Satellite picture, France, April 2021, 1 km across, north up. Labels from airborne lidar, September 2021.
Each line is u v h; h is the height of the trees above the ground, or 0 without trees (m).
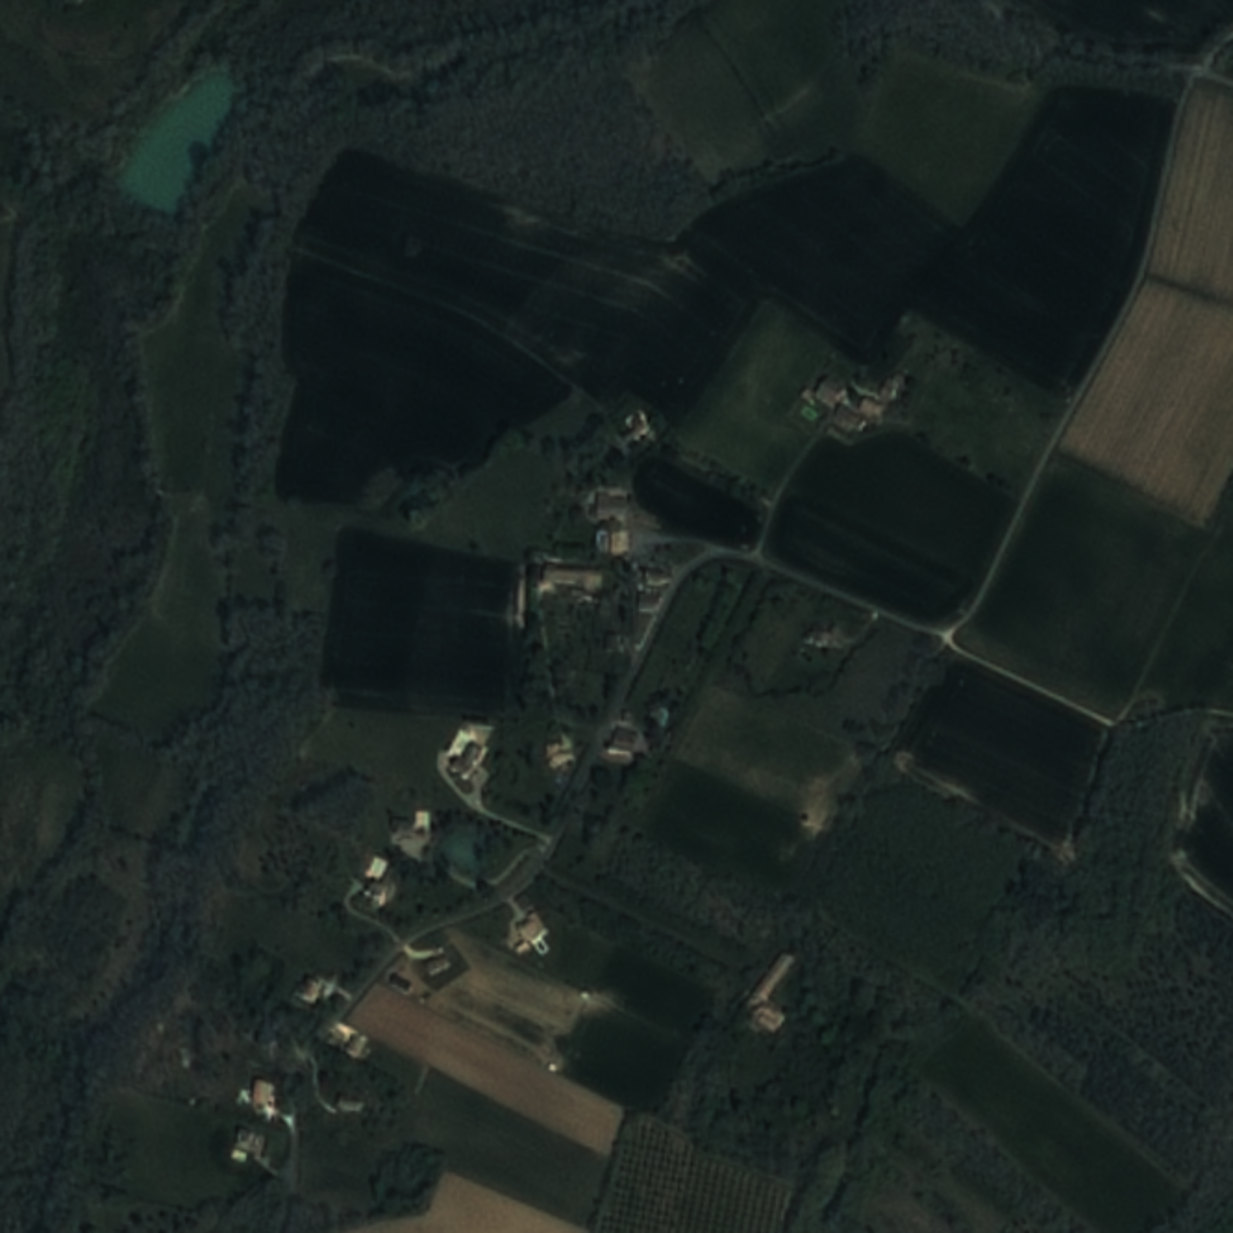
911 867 10
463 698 0
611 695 9
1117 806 16
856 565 0
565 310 0
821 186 0
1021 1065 0
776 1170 17
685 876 6
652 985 0
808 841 0
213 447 0
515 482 0
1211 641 0
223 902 0
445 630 0
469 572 0
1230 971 11
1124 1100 12
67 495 16
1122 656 0
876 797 7
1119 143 0
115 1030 16
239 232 0
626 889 9
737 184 13
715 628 12
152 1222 7
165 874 20
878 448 0
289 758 20
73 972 13
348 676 0
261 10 21
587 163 20
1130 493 0
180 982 22
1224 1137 14
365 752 0
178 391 0
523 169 14
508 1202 0
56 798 0
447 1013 0
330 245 0
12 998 13
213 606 0
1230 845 0
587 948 0
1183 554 0
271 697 19
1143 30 0
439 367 0
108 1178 10
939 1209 7
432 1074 0
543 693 8
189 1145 0
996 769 0
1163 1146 10
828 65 0
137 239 9
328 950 0
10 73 0
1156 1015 10
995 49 18
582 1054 0
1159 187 0
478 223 0
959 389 0
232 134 13
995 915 10
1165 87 15
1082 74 17
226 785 15
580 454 16
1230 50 8
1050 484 0
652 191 15
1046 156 0
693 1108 7
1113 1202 0
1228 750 0
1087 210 0
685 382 0
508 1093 0
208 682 0
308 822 16
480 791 0
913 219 0
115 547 15
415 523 17
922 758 0
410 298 0
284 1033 15
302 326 0
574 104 21
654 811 0
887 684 0
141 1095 12
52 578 12
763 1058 0
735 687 0
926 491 0
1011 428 0
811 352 0
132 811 0
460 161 16
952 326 0
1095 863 16
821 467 0
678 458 10
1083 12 0
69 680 11
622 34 18
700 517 0
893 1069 8
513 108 22
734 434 0
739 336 0
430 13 15
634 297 0
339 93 25
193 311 0
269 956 9
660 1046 0
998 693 0
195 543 0
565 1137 0
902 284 0
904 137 0
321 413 0
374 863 0
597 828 19
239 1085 0
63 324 8
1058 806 0
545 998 0
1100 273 0
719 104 0
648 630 0
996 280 0
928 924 10
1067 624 0
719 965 7
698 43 0
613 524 7
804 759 0
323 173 18
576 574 0
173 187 0
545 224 0
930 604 0
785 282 0
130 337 28
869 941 8
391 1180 7
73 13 9
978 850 13
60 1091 10
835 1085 8
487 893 13
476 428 0
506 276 0
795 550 0
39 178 16
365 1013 0
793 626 0
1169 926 11
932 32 20
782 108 0
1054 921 13
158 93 16
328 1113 0
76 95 0
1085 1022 6
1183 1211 12
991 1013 11
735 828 0
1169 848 17
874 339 0
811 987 14
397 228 0
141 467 17
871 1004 16
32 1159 11
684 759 0
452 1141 0
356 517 0
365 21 9
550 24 25
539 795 0
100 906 6
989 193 0
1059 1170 0
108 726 20
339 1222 16
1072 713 0
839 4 0
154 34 0
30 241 20
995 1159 15
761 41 0
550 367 0
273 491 10
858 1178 12
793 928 15
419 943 0
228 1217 12
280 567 12
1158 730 15
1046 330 0
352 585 0
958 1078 0
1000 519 0
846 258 0
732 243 0
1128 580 0
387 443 0
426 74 11
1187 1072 10
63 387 20
